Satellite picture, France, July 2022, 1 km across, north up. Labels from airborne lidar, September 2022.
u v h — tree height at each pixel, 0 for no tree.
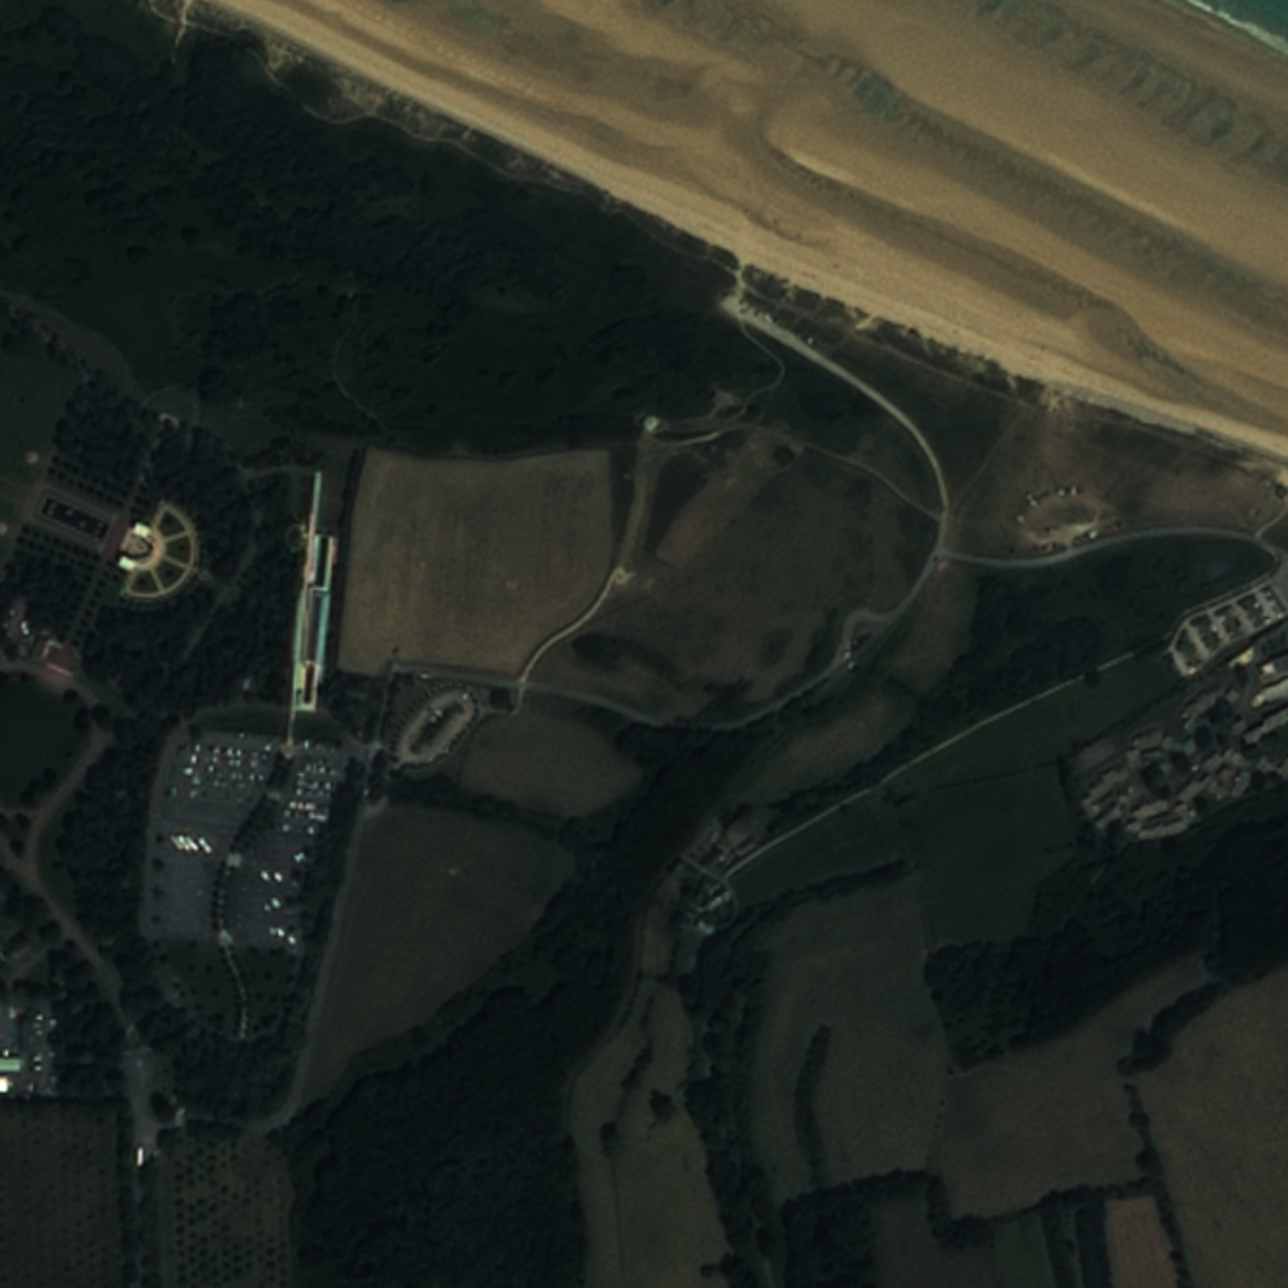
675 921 9
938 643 0
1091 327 0
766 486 0
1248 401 0
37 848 0
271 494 14
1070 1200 15
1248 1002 0
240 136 6
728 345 0
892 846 0
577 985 16
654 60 0
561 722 0
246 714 0
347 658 0
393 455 0
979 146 0
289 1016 13
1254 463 0
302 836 0
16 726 0
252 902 0
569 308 0
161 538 0
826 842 0
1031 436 0
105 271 0
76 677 0
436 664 0
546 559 0
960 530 0
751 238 0
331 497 0
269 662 11
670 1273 0
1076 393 0
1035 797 0
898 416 0
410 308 0
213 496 15
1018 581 0
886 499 0
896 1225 0
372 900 0
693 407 0
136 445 14
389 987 0
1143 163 0
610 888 16
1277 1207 0
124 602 6
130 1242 10
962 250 0
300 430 7
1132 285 0
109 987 0
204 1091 12
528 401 0
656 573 0
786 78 0
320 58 0
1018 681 11
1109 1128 0
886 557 0
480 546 0
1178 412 0
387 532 0
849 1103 0
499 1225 21
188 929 0
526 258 8
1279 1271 0
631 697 0
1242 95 0
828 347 0
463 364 0
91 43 7
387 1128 25
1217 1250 0
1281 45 0
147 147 6
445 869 0
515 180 0
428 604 0
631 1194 0
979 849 0
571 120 0
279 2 0
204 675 17
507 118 0
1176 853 10
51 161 10
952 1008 14
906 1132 0
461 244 10
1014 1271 0
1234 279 0
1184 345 0
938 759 0
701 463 0
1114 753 0
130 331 0
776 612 0
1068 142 0
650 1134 0
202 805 0
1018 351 0
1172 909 10
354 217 8
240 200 7
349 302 9
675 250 0
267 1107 13
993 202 0
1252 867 19
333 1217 21
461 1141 24
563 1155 20
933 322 0
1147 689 0
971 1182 0
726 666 0
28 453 0
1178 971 0
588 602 0
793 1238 19
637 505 0
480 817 6
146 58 0
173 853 0
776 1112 0
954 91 0
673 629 0
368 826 0
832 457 0
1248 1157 0
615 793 0
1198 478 0
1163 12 0
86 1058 14
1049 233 0
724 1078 12
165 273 0
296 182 8
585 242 0
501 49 0
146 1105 0
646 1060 7
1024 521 0
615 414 0
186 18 0
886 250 0
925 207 0
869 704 0
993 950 9
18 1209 0
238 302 8
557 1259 26
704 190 0
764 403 0
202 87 6
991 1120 0
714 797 17
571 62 0
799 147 0
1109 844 7
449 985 0
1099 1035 0
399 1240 21
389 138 0
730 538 0
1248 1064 0
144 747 8
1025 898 0
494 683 0
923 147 0
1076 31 0
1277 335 0
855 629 0
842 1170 0
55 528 0
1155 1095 0
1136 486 0
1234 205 0
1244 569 0
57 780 15
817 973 0
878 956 0
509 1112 24
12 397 0
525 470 0
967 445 0
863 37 0
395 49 0
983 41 0
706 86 0
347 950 0
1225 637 0
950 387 0
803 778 0
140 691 16
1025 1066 0
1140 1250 0
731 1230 19
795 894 7
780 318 0
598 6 0
